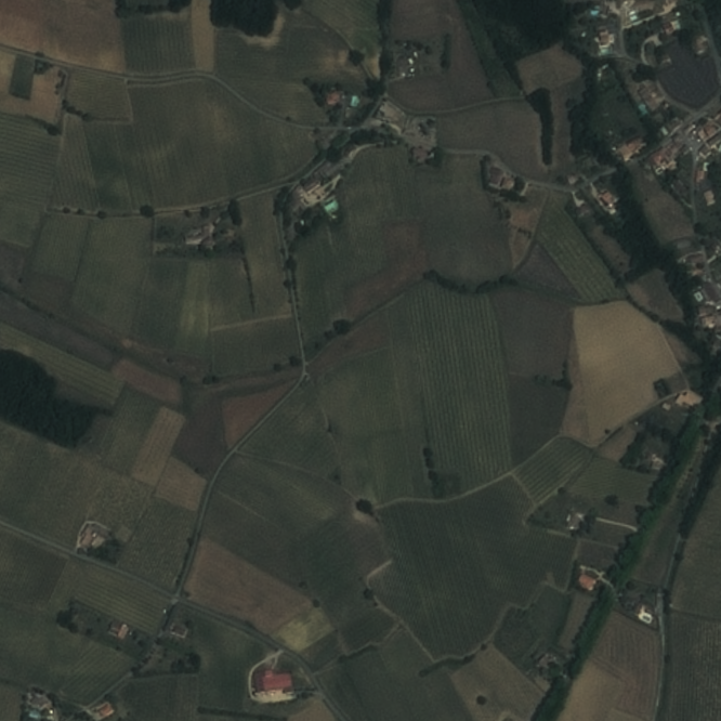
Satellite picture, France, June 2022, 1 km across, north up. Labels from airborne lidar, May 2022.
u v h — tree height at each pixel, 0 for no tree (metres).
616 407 0
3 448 0
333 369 0
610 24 0
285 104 0
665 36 11
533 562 0
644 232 22
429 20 0
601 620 22
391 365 0
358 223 0
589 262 0
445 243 0
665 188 6
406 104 0
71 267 0
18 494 0
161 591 0
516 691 0
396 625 0
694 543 0
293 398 0
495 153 0
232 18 12
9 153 0
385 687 0
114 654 0
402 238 0
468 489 0
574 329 0
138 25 0
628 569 23
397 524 0
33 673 0
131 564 0
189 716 0
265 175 0
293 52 0
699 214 0
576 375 0
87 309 0
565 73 0
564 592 0
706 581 0
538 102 18
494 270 0
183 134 0
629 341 0
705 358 9
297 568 0
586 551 0
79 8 0
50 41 0
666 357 0
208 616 0
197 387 0
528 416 0
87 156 0
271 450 0
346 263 0
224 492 0
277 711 0
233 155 0
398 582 0
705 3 10
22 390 10
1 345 0
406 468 0
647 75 15
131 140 0
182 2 11
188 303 0
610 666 0
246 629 0
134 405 0
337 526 0
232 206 11
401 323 0
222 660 0
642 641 0
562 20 17
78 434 6
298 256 0
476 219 0
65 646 0
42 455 0
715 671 0
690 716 0
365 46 0
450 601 0
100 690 0
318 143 7
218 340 0
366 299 0
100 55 0
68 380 0
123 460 0
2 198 0
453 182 0
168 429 0
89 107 0
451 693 0
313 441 0
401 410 0
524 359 0
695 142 0
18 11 0
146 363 0
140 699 0
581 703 0
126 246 0
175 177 0
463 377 0
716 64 0
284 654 0
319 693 0
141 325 0
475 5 10
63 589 0
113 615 0
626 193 14
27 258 0
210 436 0
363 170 0
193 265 0
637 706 0
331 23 0
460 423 0
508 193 11
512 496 0
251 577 0
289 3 14
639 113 6
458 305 0
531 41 8
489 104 0
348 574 0
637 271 9
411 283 0
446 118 0
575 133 11
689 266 7
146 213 16
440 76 0
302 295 0
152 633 0
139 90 0
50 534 0
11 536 0
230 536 0
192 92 0
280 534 0
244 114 0
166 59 0
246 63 0
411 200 0
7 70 0
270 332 0
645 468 6
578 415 0
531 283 0
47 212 0
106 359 0
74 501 0
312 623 0
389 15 8
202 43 0
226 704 0
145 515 0
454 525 0
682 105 0
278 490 0
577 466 0
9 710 0
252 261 0
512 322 0
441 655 0
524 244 0
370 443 0
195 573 0
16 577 0
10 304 0
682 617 0
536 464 0
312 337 0
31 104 0
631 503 0
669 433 16
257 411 0
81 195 0
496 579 0
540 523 6
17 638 0
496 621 0
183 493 0
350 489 0
